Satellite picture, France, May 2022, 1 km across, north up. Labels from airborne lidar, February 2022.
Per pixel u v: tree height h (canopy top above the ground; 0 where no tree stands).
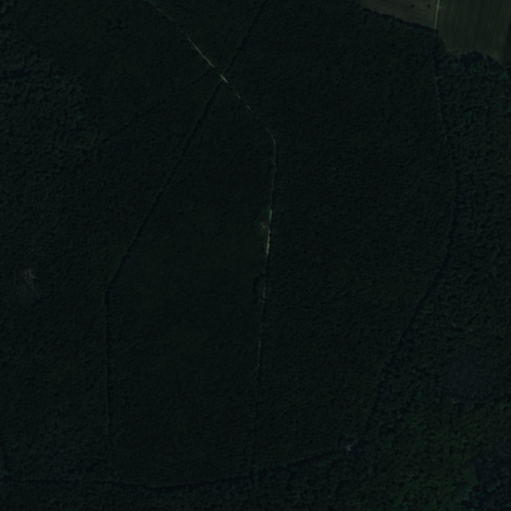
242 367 13
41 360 21
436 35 9
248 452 19
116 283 12
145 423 17
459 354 23
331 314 21
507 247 32
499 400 32
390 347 26
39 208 20
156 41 15
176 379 13
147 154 16
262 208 14
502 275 30
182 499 29
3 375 27
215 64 13
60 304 19
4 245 18
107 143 19
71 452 18
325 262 23
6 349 18
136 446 16
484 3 0
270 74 19
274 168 24
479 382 23
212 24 16
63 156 28
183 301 15
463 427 29
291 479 32
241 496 30
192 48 13
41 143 32
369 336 22
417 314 25
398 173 20
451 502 7
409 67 21
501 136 29
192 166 19
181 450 15
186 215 14
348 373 22
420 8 0
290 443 21
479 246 30
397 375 33
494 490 23
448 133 24
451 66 31
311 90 19
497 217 31
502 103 34
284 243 17
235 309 14
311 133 20
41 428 20
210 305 13
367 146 21
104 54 15
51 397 25
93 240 20
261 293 12
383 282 20
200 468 16
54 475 20
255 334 17
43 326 22
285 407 20
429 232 19
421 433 30
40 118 28
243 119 16
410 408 30
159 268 13
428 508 29
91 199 22
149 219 11
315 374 20
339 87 20
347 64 18
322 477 32
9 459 21
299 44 19
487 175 35
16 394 28
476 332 22
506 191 31
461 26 0
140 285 15
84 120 30
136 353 16
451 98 28
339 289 20
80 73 16
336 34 18
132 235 14
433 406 32
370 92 20
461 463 32
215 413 18
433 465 28
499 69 32
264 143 12
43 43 20
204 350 13
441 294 27
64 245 19
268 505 33
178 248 13
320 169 18
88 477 25
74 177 23
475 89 33
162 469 17
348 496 29
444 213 20
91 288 20
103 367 19
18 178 28
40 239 17
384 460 25
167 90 15
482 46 0
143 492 24
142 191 16
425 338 29
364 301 20
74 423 25
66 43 17
